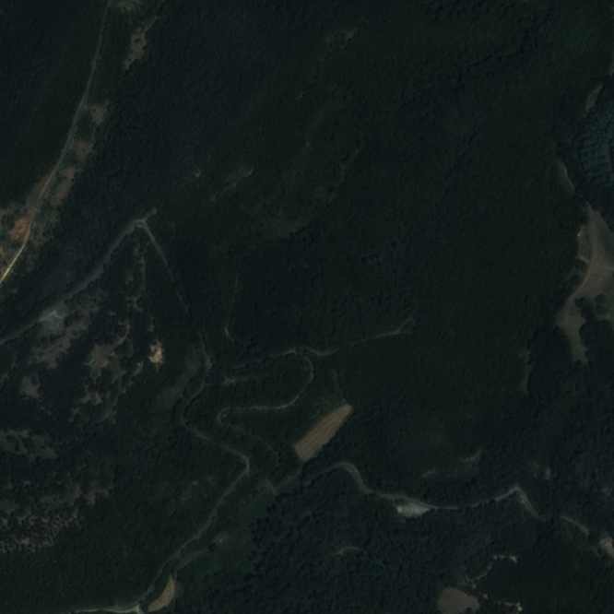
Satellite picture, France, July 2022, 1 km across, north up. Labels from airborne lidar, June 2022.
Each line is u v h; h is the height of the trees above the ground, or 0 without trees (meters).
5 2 13
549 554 9
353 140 9
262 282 6
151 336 12
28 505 9
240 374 8
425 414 15
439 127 9
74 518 14
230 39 8
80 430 12
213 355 10
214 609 12
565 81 7
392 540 28
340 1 21
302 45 12
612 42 13
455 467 20
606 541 0
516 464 11
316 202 6
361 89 16
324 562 12
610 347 23
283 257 13
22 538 12
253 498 8
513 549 14
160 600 0
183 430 14
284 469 14
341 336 10
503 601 16
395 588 28
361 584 28
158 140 13
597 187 12
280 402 16
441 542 15
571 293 13
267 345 7
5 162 6
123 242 8
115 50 16
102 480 11
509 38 15
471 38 17
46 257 11
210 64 9
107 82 9
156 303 11
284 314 6
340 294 6
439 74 12
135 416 10
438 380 19
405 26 13
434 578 26
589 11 12
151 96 12
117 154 14
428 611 29
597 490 9
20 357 7
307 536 13
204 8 9
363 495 14
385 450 10
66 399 6
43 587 9
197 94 9
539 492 8
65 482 8
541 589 20
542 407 14
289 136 18
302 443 0
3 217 6
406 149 8
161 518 12
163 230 10
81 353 8
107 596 14
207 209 13
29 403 7
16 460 18
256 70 9
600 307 11
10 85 11
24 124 7
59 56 8
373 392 11
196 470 14
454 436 10
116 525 10
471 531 6
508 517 7
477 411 19
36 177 12
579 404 18
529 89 12
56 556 12
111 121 7
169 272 14
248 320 13
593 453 8
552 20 15
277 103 9
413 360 9
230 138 8
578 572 17
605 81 16
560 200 12
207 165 7
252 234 6
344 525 11
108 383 9
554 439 19
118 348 9
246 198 12
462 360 10
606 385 24
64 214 11
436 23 20
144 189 8
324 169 11
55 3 14
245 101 9
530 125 17
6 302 11
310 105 18
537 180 15
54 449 12
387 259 12
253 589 19
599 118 19
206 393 15
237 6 8
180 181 6
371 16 16
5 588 13
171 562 10
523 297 9
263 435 11
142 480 9
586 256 0
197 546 18
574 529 17
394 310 11
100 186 10
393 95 8
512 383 12
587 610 10
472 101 14
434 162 7
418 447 7
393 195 6
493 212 18
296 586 16
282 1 15
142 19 12
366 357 14
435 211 6
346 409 0
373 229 7
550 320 19
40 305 9
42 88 7
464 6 15
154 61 7
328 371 10
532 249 18
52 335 7
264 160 15
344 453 18
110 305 6
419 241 12
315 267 11
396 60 9
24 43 14
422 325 13
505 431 22
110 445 15
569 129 8
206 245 22
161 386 11
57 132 14
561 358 24
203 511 8
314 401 12
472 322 12
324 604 9
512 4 8
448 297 15
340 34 7
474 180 17
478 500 10
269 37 8
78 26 15
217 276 17
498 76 16
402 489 14
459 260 19
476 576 6
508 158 16
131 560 13
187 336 17
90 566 19
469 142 8
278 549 12
